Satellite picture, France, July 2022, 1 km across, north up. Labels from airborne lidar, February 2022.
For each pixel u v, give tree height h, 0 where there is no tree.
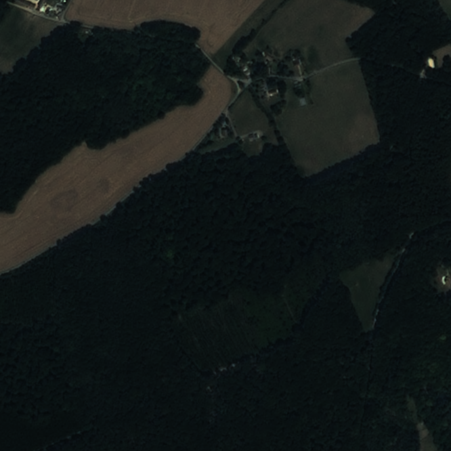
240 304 0
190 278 22
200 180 20
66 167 0
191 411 25
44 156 20
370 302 0
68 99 18
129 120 27
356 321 26
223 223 23
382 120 15
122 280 16
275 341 0
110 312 20
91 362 20
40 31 0
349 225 21
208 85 0
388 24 18
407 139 21
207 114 0
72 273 20
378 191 17
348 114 0
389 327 29
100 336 19
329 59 0
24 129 19
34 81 11
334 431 27
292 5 0
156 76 23
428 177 26
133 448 27
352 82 0
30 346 17
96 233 23
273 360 22
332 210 21
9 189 18
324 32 0
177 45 13
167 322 18
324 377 26
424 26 25
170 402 26
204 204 23
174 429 28
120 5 0
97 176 0
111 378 21
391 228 23
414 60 25
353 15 0
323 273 0
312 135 0
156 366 23
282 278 25
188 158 20
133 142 0
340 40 0
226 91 0
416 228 18
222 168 22
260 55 21
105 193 0
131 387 26
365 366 27
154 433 26
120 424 25
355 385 27
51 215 0
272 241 25
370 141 0
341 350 26
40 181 0
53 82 18
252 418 21
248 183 26
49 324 16
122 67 22
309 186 22
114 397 21
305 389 24
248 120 0
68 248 23
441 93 13
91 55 27
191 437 26
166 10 0
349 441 24
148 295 21
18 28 0
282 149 15
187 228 25
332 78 0
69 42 25
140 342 19
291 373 24
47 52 23
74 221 0
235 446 22
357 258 28
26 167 23
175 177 20
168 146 0
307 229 23
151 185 21
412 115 20
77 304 18
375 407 17
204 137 0
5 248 0
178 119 0
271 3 0
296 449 27
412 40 24
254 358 20
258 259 25
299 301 0
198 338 0
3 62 0
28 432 9
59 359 19
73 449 19
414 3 25
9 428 9
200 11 0
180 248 21
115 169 0
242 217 25
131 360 18
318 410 24
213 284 19
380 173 16
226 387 25
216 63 0
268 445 26
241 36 0
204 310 24
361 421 11
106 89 23
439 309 21
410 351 21
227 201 23
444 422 21
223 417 23
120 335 18
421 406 23
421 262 25
